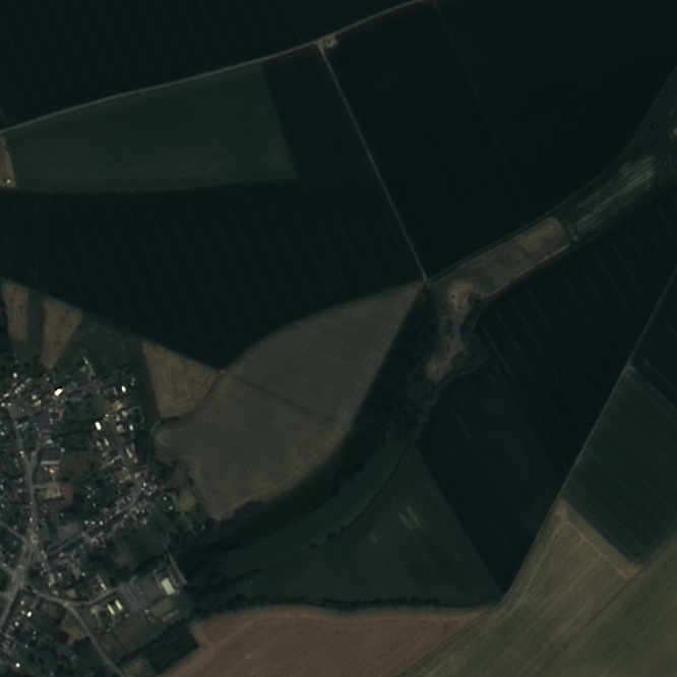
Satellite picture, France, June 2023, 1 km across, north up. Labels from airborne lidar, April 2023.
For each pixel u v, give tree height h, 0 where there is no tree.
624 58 0
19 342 0
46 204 0
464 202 0
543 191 0
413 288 0
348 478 27
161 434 0
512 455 0
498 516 0
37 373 0
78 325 0
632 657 0
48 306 0
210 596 19
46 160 0
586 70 0
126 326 0
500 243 0
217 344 0
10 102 0
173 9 0
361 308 0
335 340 0
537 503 0
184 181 0
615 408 0
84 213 0
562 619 0
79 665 0
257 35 0
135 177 0
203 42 0
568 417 0
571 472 0
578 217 0
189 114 0
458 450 0
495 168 0
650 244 0
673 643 0
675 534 0
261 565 0
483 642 0
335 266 0
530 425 0
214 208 0
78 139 0
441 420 0
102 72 0
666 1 0
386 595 0
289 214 0
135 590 0
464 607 0
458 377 0
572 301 0
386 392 0
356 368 0
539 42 0
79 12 0
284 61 0
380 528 0
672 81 0
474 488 0
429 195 0
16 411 0
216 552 24
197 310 0
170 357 0
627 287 0
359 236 0
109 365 0
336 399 0
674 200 0
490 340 0
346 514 0
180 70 0
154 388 0
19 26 0
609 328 0
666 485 0
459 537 0
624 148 0
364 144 0
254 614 0
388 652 0
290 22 0
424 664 0
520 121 0
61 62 0
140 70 0
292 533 0
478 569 0
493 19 0
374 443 0
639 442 0
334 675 0
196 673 0
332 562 0
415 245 0
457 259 0
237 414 0
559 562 0
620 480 0
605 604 0
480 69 0
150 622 0
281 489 0
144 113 0
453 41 0
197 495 0
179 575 0
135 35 0
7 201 0
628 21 0
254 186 0
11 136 0
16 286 0
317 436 0
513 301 0
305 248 0
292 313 0
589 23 0
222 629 0
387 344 0
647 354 0
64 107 0
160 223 0
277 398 0
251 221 0
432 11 0
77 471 0
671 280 0
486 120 0
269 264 0
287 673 0
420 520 0
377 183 0
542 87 0
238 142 0
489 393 0
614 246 0
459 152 0
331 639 0
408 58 0
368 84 0
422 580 0
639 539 0
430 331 16
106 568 11
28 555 0
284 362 0
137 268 0
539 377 0
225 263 0
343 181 0
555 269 0
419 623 0
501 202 0
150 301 0
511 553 0
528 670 0
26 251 0
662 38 0
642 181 0
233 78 0
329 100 0
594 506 0
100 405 0
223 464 0
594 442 0
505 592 0
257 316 0
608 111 0
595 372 0
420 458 0
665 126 0
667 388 0
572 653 0
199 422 0
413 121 0
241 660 0
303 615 0
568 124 0
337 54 0
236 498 0
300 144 0
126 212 0
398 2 0
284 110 0
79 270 0
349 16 0
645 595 0
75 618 0
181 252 0
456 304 0
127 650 0
